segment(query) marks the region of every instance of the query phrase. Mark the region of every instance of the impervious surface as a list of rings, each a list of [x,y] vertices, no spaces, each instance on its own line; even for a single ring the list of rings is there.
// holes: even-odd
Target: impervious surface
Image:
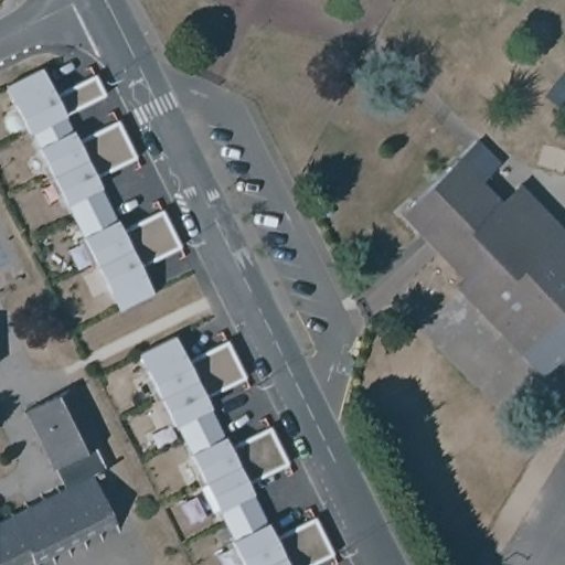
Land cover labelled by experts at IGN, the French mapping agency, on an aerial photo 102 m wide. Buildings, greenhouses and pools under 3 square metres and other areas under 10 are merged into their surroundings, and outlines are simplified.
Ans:
[[[104,521],[97,521],[95,525],[77,532],[71,539],[75,543],[75,552],[68,552],[68,547],[64,547],[64,552],[60,552],[60,558],[51,558],[51,563],[38,563],[35,554],[31,554],[31,561],[24,565],[152,565],[152,556],[139,539],[137,525],[128,516],[130,512],[135,492],[115,475],[102,481],[102,492],[108,499],[113,512]]]
[[[450,263],[441,256],[437,258],[428,249],[426,241],[419,236],[411,245],[399,243],[399,258],[386,274],[380,274],[375,285],[369,291],[362,291],[358,300],[342,300],[331,280],[331,274],[335,274],[335,258],[331,243],[327,241],[327,230],[320,225],[313,218],[302,216],[294,196],[296,179],[307,170],[307,163],[302,159],[291,159],[291,154],[278,159],[274,146],[267,141],[260,128],[254,126],[254,119],[245,113],[245,108],[234,97],[223,95],[223,84],[234,55],[227,51],[214,62],[210,66],[210,73],[196,77],[181,77],[168,66],[168,42],[161,35],[161,31],[157,31],[157,26],[150,22],[150,15],[146,15],[146,7],[135,4],[137,0],[0,0],[0,119],[11,108],[11,99],[4,95],[4,90],[35,73],[49,73],[66,110],[77,106],[75,84],[88,77],[99,77],[104,82],[106,99],[86,108],[84,113],[88,117],[99,119],[102,126],[121,121],[139,157],[137,163],[113,172],[115,185],[124,201],[124,205],[115,205],[113,212],[124,227],[139,223],[157,212],[168,212],[183,249],[161,263],[154,263],[148,269],[148,278],[154,289],[163,289],[188,276],[194,276],[199,280],[201,291],[210,302],[210,309],[205,316],[199,316],[190,324],[199,329],[201,342],[232,342],[247,371],[247,382],[238,386],[247,395],[247,404],[236,408],[232,415],[230,428],[234,433],[230,441],[234,446],[236,441],[243,441],[267,428],[274,428],[278,433],[291,468],[267,479],[267,492],[278,510],[302,508],[305,521],[318,519],[322,523],[335,550],[335,558],[327,565],[406,565],[402,556],[402,552],[406,552],[404,545],[399,541],[395,543],[382,516],[386,512],[384,505],[380,501],[373,501],[342,439],[349,433],[349,417],[344,415],[344,408],[351,399],[351,393],[353,388],[369,388],[364,384],[366,369],[355,366],[353,355],[360,353],[364,331],[369,329],[369,322],[377,311],[388,311],[391,318],[402,320],[406,329],[413,329],[415,333],[422,329],[435,344],[437,353],[446,355],[450,364],[459,364],[459,377],[472,380],[472,386],[481,388],[479,397],[483,397],[486,402],[497,402],[499,411],[508,411],[508,402],[516,395],[516,399],[534,399],[536,422],[541,426],[545,424],[547,411],[561,417],[561,422],[565,424],[565,362],[552,373],[534,373],[530,369],[530,360],[523,353],[516,353],[510,347],[505,347],[501,340],[503,333],[463,298],[463,294],[459,291],[459,276],[450,267]]]
[[[33,258],[35,249],[26,245],[22,230],[13,221],[9,207],[0,207],[0,494],[2,499],[20,505],[44,492],[55,490],[64,481],[62,472],[53,468],[31,417],[26,415],[26,408],[31,402],[42,399],[44,395],[57,388],[64,388],[75,380],[71,375],[64,375],[60,369],[49,366],[44,360],[31,358],[20,344],[22,340],[13,331],[9,333],[7,316],[22,309],[26,302],[31,296],[40,296],[44,289],[44,276]]]
[[[236,33],[232,42],[234,46],[241,44],[252,29],[269,29],[318,40],[324,44],[322,53],[333,53],[342,66],[353,66],[355,71],[364,66],[364,53],[373,44],[386,46],[388,35],[380,29],[384,20],[391,15],[393,4],[397,0],[360,0],[364,9],[364,20],[351,29],[347,22],[338,26],[335,22],[322,15],[329,0],[212,0],[212,7],[230,7],[236,15]]]
[[[521,161],[512,166],[508,159],[501,163],[501,172],[490,177],[488,185],[501,199],[510,199],[514,188],[525,185],[530,194],[565,227],[565,170],[530,166]]]
[[[536,516],[532,521],[523,521],[516,527],[508,547],[501,554],[505,565],[565,565],[565,452],[554,466],[545,486],[541,488],[541,499],[534,503]]]

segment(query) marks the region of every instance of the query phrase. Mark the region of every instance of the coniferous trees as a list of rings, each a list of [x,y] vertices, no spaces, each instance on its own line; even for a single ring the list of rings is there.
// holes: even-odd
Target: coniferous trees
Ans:
[[[402,57],[388,51],[386,46],[373,44],[364,53],[364,66],[355,71],[353,88],[360,95],[360,104],[366,110],[366,115],[377,121],[399,124],[406,110],[415,108],[415,93],[422,90],[419,60]]]

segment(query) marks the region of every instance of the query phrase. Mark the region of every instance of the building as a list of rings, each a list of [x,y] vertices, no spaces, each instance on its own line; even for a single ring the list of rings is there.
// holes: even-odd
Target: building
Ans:
[[[31,159],[31,168],[35,174],[49,177],[46,188],[46,201],[62,201],[68,214],[75,218],[75,223],[84,236],[82,247],[73,249],[73,260],[77,267],[79,274],[84,276],[84,283],[88,285],[93,296],[108,294],[108,298],[115,305],[119,307],[115,316],[82,331],[84,340],[90,347],[90,353],[97,362],[110,360],[148,338],[174,329],[179,331],[179,340],[170,340],[157,349],[146,351],[139,362],[141,369],[148,373],[148,384],[152,388],[154,404],[146,413],[152,417],[154,426],[174,424],[179,430],[183,433],[185,444],[188,459],[179,466],[179,472],[183,475],[185,483],[201,481],[201,488],[212,512],[216,514],[216,521],[225,521],[225,525],[232,534],[232,547],[230,552],[214,552],[214,556],[223,565],[327,565],[335,558],[335,550],[322,523],[318,519],[305,521],[302,508],[278,510],[267,492],[267,479],[291,468],[278,433],[274,428],[267,428],[243,441],[236,441],[234,446],[230,441],[234,433],[230,428],[232,415],[236,408],[247,404],[247,395],[238,386],[247,382],[247,371],[232,342],[201,342],[199,329],[190,324],[199,316],[205,316],[210,309],[210,302],[201,291],[199,280],[194,276],[188,276],[163,289],[154,289],[148,278],[148,269],[154,263],[161,263],[183,249],[168,212],[157,212],[139,223],[124,227],[113,212],[115,205],[124,205],[124,201],[115,185],[113,172],[137,163],[139,157],[121,121],[102,126],[99,119],[88,117],[84,113],[86,108],[106,99],[104,82],[99,77],[88,77],[75,84],[77,106],[66,110],[49,73],[35,73],[4,90],[4,95],[11,99],[11,108],[0,119],[0,126],[9,132],[26,132],[33,139],[35,154]]]
[[[565,227],[530,194],[525,185],[514,188],[510,199],[501,199],[488,185],[490,177],[501,172],[501,163],[508,159],[508,154],[490,137],[479,139],[477,135],[472,135],[466,146],[459,146],[459,150],[466,157],[457,163],[457,168],[452,170],[446,166],[439,172],[430,170],[428,174],[424,174],[426,188],[413,196],[417,205],[406,214],[406,218],[419,230],[419,236],[426,241],[428,249],[437,258],[441,256],[450,263],[450,267],[459,276],[459,291],[463,294],[463,298],[503,333],[501,340],[505,347],[510,347],[516,353],[523,353],[530,360],[530,369],[534,373],[552,373],[565,362]]]
[[[86,441],[64,402],[64,388],[57,388],[44,395],[42,399],[31,402],[26,408],[26,415],[31,417],[53,468],[62,472],[64,481],[55,490],[44,492],[20,505],[20,514],[11,514],[9,519],[0,521],[0,565],[24,565],[31,561],[31,554],[35,554],[38,563],[51,563],[51,558],[60,558],[60,552],[64,552],[64,547],[68,547],[68,552],[75,552],[75,543],[71,539],[77,532],[95,525],[97,521],[104,521],[113,512],[108,499],[102,492],[102,481],[115,475],[115,466],[106,463],[102,450],[86,448]]]

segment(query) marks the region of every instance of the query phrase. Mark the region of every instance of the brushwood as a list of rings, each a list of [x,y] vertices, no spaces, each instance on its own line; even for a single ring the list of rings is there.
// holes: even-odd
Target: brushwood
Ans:
[[[115,316],[119,307],[115,305],[106,307],[104,311],[90,318],[79,320],[79,327],[66,333],[66,340],[75,342],[79,358],[86,358],[90,353],[90,347],[84,340],[82,331]]]
[[[130,422],[132,417],[146,413],[154,404],[152,388],[148,384],[141,384],[141,391],[132,395],[132,406],[124,408],[119,415],[121,430],[128,444],[132,446],[135,455],[139,457],[139,461],[150,461],[185,444],[183,433],[179,430],[172,433],[174,441],[170,444],[143,448]]]
[[[9,519],[11,514],[20,514],[20,505],[2,499],[0,494],[0,521]]]
[[[216,534],[225,525],[225,521],[216,521],[207,525],[196,523],[199,527],[192,534],[185,534],[185,541],[199,543]]]
[[[68,271],[51,269],[49,256],[53,254],[53,245],[44,245],[46,236],[60,230],[68,230],[75,223],[75,218],[68,214],[53,218],[40,227],[29,225],[15,196],[18,192],[46,188],[49,177],[35,174],[24,183],[7,183],[4,179],[0,179],[0,207],[9,207],[13,221],[22,230],[26,245],[35,249],[33,258],[44,276],[44,289],[57,289],[62,280],[75,278],[79,274],[77,267]]]
[[[179,331],[174,329],[148,338],[110,360],[97,362],[86,366],[86,371],[99,382],[99,386],[108,384],[110,373],[121,371],[132,362],[139,362],[146,351],[157,349],[170,340],[179,340]]]

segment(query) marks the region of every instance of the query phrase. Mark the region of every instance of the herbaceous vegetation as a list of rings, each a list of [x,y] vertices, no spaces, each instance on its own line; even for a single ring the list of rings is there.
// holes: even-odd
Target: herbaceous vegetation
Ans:
[[[179,430],[174,424],[154,426],[152,417],[146,413],[132,417],[130,422],[143,448],[170,444],[174,441],[172,433]]]
[[[402,481],[404,490],[415,492],[419,521],[430,521],[437,527],[437,536],[450,556],[450,565],[505,565],[501,554],[497,552],[497,541],[490,532],[497,527],[497,521],[505,503],[523,481],[536,450],[521,450],[505,441],[501,426],[497,424],[499,411],[497,402],[486,402],[483,397],[479,397],[481,388],[472,386],[472,380],[459,377],[459,364],[450,364],[446,355],[437,353],[435,344],[422,329],[415,333],[411,344],[402,347],[395,353],[386,351],[382,340],[375,338],[373,355],[366,369],[364,384],[369,388],[353,388],[351,393],[360,399],[364,417],[380,426],[375,437],[382,439],[384,446],[399,448],[402,470],[397,479]]]
[[[35,174],[31,168],[31,159],[35,154],[33,139],[26,132],[9,132],[0,126],[0,179],[4,179],[7,183],[24,183]]]
[[[44,289],[40,296],[31,296],[26,302],[42,313],[42,320],[62,320],[66,333],[79,327],[79,320],[90,318],[104,311],[106,307],[115,305],[108,298],[108,294],[93,296],[88,285],[84,283],[84,276],[79,274],[75,278],[62,280],[57,289]]]
[[[185,541],[185,534],[192,534],[199,527],[196,523],[207,525],[216,521],[216,514],[212,512],[201,488],[190,494],[190,501],[161,503],[159,512],[150,519],[141,519],[139,514],[130,512],[128,516],[137,525],[139,539],[152,556],[152,565],[223,565],[214,556],[214,552],[230,552],[232,547],[232,534],[225,525],[216,534],[199,543]]]
[[[66,340],[49,340],[44,347],[29,347],[26,340],[22,340],[20,344],[31,358],[44,360],[49,366],[60,369],[64,375],[71,375],[75,380],[64,388],[64,402],[86,441],[86,448],[102,450],[106,463],[115,466],[115,475],[135,492],[157,497],[163,488],[172,488],[177,492],[185,483],[183,475],[179,472],[179,466],[188,459],[185,444],[150,461],[139,461],[139,457],[135,455],[132,446],[128,444],[121,430],[119,415],[124,408],[132,406],[132,395],[141,391],[141,384],[148,384],[148,373],[141,369],[139,362],[132,362],[121,371],[110,373],[108,384],[99,386],[99,382],[86,371],[86,366],[97,362],[90,353],[86,358],[79,358],[75,342]]]
[[[353,88],[340,99],[327,99],[318,93],[307,66],[318,53],[322,53],[324,44],[318,40],[269,29],[252,29],[241,44],[234,46],[232,42],[236,33],[236,15],[230,7],[212,7],[212,0],[137,0],[135,4],[146,7],[146,15],[150,15],[150,22],[157,26],[157,31],[161,31],[161,35],[168,42],[174,29],[185,18],[190,18],[199,33],[205,38],[207,57],[214,62],[227,51],[234,55],[223,84],[223,95],[234,97],[245,108],[245,113],[254,119],[254,126],[260,128],[267,141],[274,146],[278,159],[291,154],[291,159],[302,159],[307,163],[307,170],[318,174],[322,199],[333,210],[329,218],[324,218],[320,225],[327,230],[327,241],[331,243],[340,243],[340,236],[349,236],[355,232],[371,234],[369,256],[362,274],[380,274],[386,274],[399,258],[399,243],[411,245],[419,236],[419,230],[406,218],[406,214],[417,205],[413,196],[426,188],[424,174],[422,163],[426,159],[435,159],[437,154],[446,157],[446,166],[452,170],[457,168],[457,163],[466,157],[459,150],[459,146],[466,146],[472,135],[477,135],[479,139],[490,137],[508,154],[508,159],[512,166],[521,161],[530,166],[565,170],[565,137],[558,135],[554,126],[554,104],[565,106],[565,0],[397,0],[393,4],[391,15],[384,20],[380,29],[388,35],[386,46],[388,51],[402,57],[419,60],[422,90],[415,93],[415,108],[406,110],[399,124],[377,121],[366,115],[366,110],[360,104],[360,95]],[[505,44],[512,31],[523,22],[527,24],[532,38],[536,38],[541,51],[541,57],[534,64],[512,62],[505,55]],[[514,88],[519,106],[525,108],[527,115],[521,124],[510,128],[501,128],[488,119],[488,102],[497,95],[497,90],[503,90],[505,84]]]
[[[73,260],[73,249],[82,247],[84,236],[75,223],[68,230],[60,230],[46,236],[44,245],[53,245],[53,254],[49,256],[51,269],[68,271],[77,267]]]
[[[46,188],[18,192],[15,196],[29,225],[40,227],[53,218],[68,214],[62,201],[46,201]]]

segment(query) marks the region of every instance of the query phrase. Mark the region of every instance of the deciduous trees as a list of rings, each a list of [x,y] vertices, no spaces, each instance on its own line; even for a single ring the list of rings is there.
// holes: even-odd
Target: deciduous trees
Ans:
[[[406,552],[402,552],[402,556],[406,565],[450,565],[450,556],[437,536],[437,527],[430,521],[419,521],[415,492],[404,490],[402,481],[397,479],[402,470],[399,448],[384,446],[382,439],[375,437],[380,426],[364,417],[360,399],[351,393],[351,399],[344,408],[344,415],[349,417],[349,433],[342,439],[373,501],[380,501],[384,505],[386,512],[382,516],[395,543],[399,541],[404,545]]]
[[[214,62],[207,57],[205,38],[199,33],[190,18],[185,18],[174,29],[168,42],[168,66],[181,77],[196,77],[210,73],[210,66]]]
[[[422,163],[424,174],[428,174],[430,170],[439,172],[446,166],[446,157],[437,154],[435,159],[426,159]]]
[[[150,519],[159,512],[161,503],[190,501],[190,494],[201,488],[201,481],[185,483],[177,492],[172,488],[163,488],[157,497],[135,492],[130,512],[139,514],[141,519]]]
[[[307,170],[296,179],[294,196],[302,216],[313,218],[320,225],[324,218],[329,218],[333,210],[322,199],[318,174]]]
[[[327,99],[340,99],[353,88],[355,71],[353,66],[342,66],[333,53],[322,53],[318,53],[307,66],[318,93]]]
[[[527,115],[525,108],[519,106],[514,88],[505,84],[503,90],[497,90],[497,95],[488,102],[488,119],[501,128],[510,128],[521,124]]]
[[[369,329],[364,331],[360,353],[353,355],[355,366],[366,369],[373,355],[375,338],[382,340],[386,351],[395,353],[402,347],[411,344],[415,333],[413,329],[406,329],[402,320],[391,318],[388,311],[377,311],[369,322]]]
[[[349,236],[340,236],[340,243],[331,243],[335,258],[335,274],[331,274],[331,280],[342,300],[358,300],[362,291],[369,291],[375,285],[380,274],[362,274],[369,256],[371,234],[355,232]]]
[[[347,22],[351,29],[364,20],[364,9],[360,0],[329,0],[322,15],[335,22],[338,26]]]
[[[527,24],[523,22],[512,31],[505,44],[505,55],[512,62],[534,64],[541,57],[541,51],[536,38],[532,38]]]
[[[9,333],[13,331],[22,340],[26,340],[29,347],[44,347],[49,340],[66,340],[66,333],[62,320],[42,320],[42,313],[26,302],[22,309],[7,316]]]
[[[541,426],[536,422],[534,399],[516,399],[516,395],[508,402],[508,411],[499,411],[497,424],[501,426],[505,441],[521,450],[536,450],[543,446],[547,437],[552,437],[556,430],[565,426],[565,424],[561,422],[561,417],[547,411],[545,424]]]
[[[565,106],[554,104],[554,126],[558,135],[565,137]]]

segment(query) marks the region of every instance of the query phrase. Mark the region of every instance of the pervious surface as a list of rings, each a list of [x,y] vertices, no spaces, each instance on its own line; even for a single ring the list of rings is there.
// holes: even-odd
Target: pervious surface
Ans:
[[[541,499],[541,488],[545,486],[554,466],[565,452],[565,426],[556,430],[552,437],[547,437],[543,446],[536,450],[523,481],[505,503],[497,521],[497,527],[490,532],[497,541],[497,552],[501,554],[508,547],[516,527],[523,521],[532,521],[536,516],[534,503]]]

